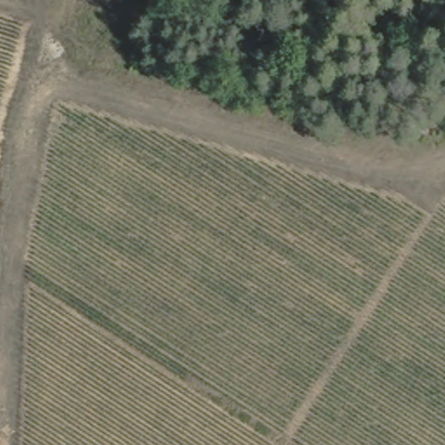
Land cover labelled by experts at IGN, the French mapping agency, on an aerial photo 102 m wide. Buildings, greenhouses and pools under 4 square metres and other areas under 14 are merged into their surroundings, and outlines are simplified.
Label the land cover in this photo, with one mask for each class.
<instances>
[{"label":"vineyard","instance_id":"1","mask_svg":"<svg viewBox=\"0 0 445 445\"><path fill-rule=\"evenodd\" d=\"M31 26L30 23L21 24L7 17H0V143L3 139V120L7 115V106L14 94L17 75L23 61L26 33ZM64 123L59 125V136L50 144L49 162L43 184L45 196L42 205L38 207L35 233L31 238L30 261L26 264L40 275L49 278L50 282L73 294L76 299L92 306L101 315L108 316L111 322L118 323L123 330L136 335L137 339L146 342L158 353L167 356L172 362L179 363L186 369V375L181 379L179 375L132 348L129 342L122 341L120 337L111 334L110 330L99 327L96 322H92L87 316L78 313L66 302L52 296L35 283L31 316L28 445H445V209L431 219L428 229L415 243L412 254L405 259L398 275L389 282L388 292L377 304L374 315L356 337L355 346H351L344 355L332 379L323 388L322 395L318 396L315 405L309 408L308 415L297 429L296 435L290 438L285 431L287 424L296 414L297 407L304 402L309 388L322 375L330 356L334 355L335 348L346 339L348 330L360 315V309L374 294L389 264L398 257V249L405 245L407 236L422 221L421 212H417L412 205L396 202L393 198H381L374 193L348 188L344 184H332L325 179L304 176L296 170H283L282 167L269 165L261 167L249 158H238L226 151L189 143L186 139L163 136L153 130L129 129L111 118L75 113L64 108L61 111Z\"/></svg>","mask_w":445,"mask_h":445},{"label":"herbaceous vegetation","instance_id":"2","mask_svg":"<svg viewBox=\"0 0 445 445\"><path fill-rule=\"evenodd\" d=\"M0 17H7L21 24L30 23L31 26L26 33L23 61L17 75L14 94L7 106V115L3 120V139L0 143V445H28L31 316L35 283L52 296L66 302L78 313L87 316L92 322H96L99 327L110 330L111 334L120 337L122 341L129 342L132 348L179 375L181 379L186 375V369L179 363L172 362L167 356L158 353L146 342L137 339L136 335L123 330L118 323L111 322L108 316L101 315L92 306L76 299L73 294L50 282L49 278L40 275L26 264L30 261L31 238L35 233L38 207L42 205L45 196L43 184L49 162L50 144L59 136V125L64 123L61 111L64 108L75 113L111 118L129 129L153 130L163 136L186 139L189 143L226 151L238 158H249L261 167L269 165L282 167L283 170H296L304 176L325 179L332 184H344L348 188L374 193L381 198H393L396 202L412 205L417 212H421L422 221L407 236L405 245L398 249V257L389 264L374 294L360 309V315L348 330L346 339L335 348L334 355L330 356L322 375L309 388L304 402L297 407L296 414L287 424L285 431L290 438L296 435L297 429L308 415L309 408L315 405L318 396L322 395L323 388L332 379L344 355L351 346H355L356 337L374 315L377 304L388 292L389 282L398 275L405 259L412 254L415 243L428 229L431 219L445 209V151L438 146L429 148L428 151L421 148L412 153L408 149L400 148L398 141L388 136H384V141L379 144L353 143L341 148L323 146L313 137L297 134L289 122H285L278 115L269 113L264 118L238 116L235 110H224L214 104L212 99H209V96H203L191 89L170 87L165 80L155 76L139 75L136 70H130L136 61H143L144 45L143 38H130V33L136 30L143 14L130 0H0Z\"/></svg>","mask_w":445,"mask_h":445},{"label":"coniferous trees","instance_id":"3","mask_svg":"<svg viewBox=\"0 0 445 445\"><path fill-rule=\"evenodd\" d=\"M143 14L136 30L130 33V38H143L144 45L143 61H136L130 70H136L139 75L155 76L165 80L169 76L177 75V66H183L186 61H195L196 75L189 82L191 89L203 96H209L221 85V78L217 73L219 52L224 54L229 68L238 66L247 82V90H256L259 87L261 92L266 94V101L262 103L261 99H254L252 110L245 111L242 108L236 110L240 96L229 97L228 103L221 99H212L214 104L224 110H235L238 116L264 118L269 113L278 115L285 122H289L297 134L313 137L323 146L341 148L353 143L379 144L384 141V136H388L398 141L400 148L408 149L412 153L421 148L424 130L445 120V0H346L348 9L337 14L332 30L329 31L322 47H316L315 43L311 42L306 45V64L301 80L292 83L290 87H283L282 82L276 78L269 82L266 73L269 56L273 50L282 47L285 33L302 31V23L308 21V14L302 12L304 0H229L228 10L222 14L221 21L212 23L207 19L205 12H191L186 14L184 19H179L172 7V0H130ZM408 10L415 16V21L407 28L408 38L412 42L421 43L422 49H426L421 56L415 57L412 63L407 49H398L396 52L389 49L391 38L400 37V17L407 16Z\"/></svg>","mask_w":445,"mask_h":445},{"label":"deciduous trees","instance_id":"4","mask_svg":"<svg viewBox=\"0 0 445 445\"><path fill-rule=\"evenodd\" d=\"M229 0H172V7L179 19H184L186 14L191 12H205L207 19L212 23L221 21L222 14L228 10ZM346 0H304L302 12L308 14V21L302 23V31L285 33L282 47L273 50L269 56L266 73L269 82L276 78L282 82L283 87H290L292 83L301 80L306 64V45L311 42L315 43L316 47H322L329 31L332 30L337 14L348 9ZM415 21V16L408 10L407 16L400 17V37L391 38L389 49L396 52L398 49H407L412 63L415 57L421 56L426 49H422L421 43L412 42L408 38L407 28ZM217 73L221 78V85L209 96V99H221L228 103L229 97L240 96L236 110L242 108L245 111L252 110L254 99H261L262 103L266 101V94L261 92L259 87L256 90H247V82L238 66L229 68L224 54L219 52ZM177 75L169 76L165 80L170 87L191 89L189 82L196 75L195 61H186L183 66H177Z\"/></svg>","mask_w":445,"mask_h":445},{"label":"pervious surface","instance_id":"5","mask_svg":"<svg viewBox=\"0 0 445 445\"><path fill-rule=\"evenodd\" d=\"M438 146L445 151V120L424 130L421 148L428 151L429 148Z\"/></svg>","mask_w":445,"mask_h":445}]
</instances>
